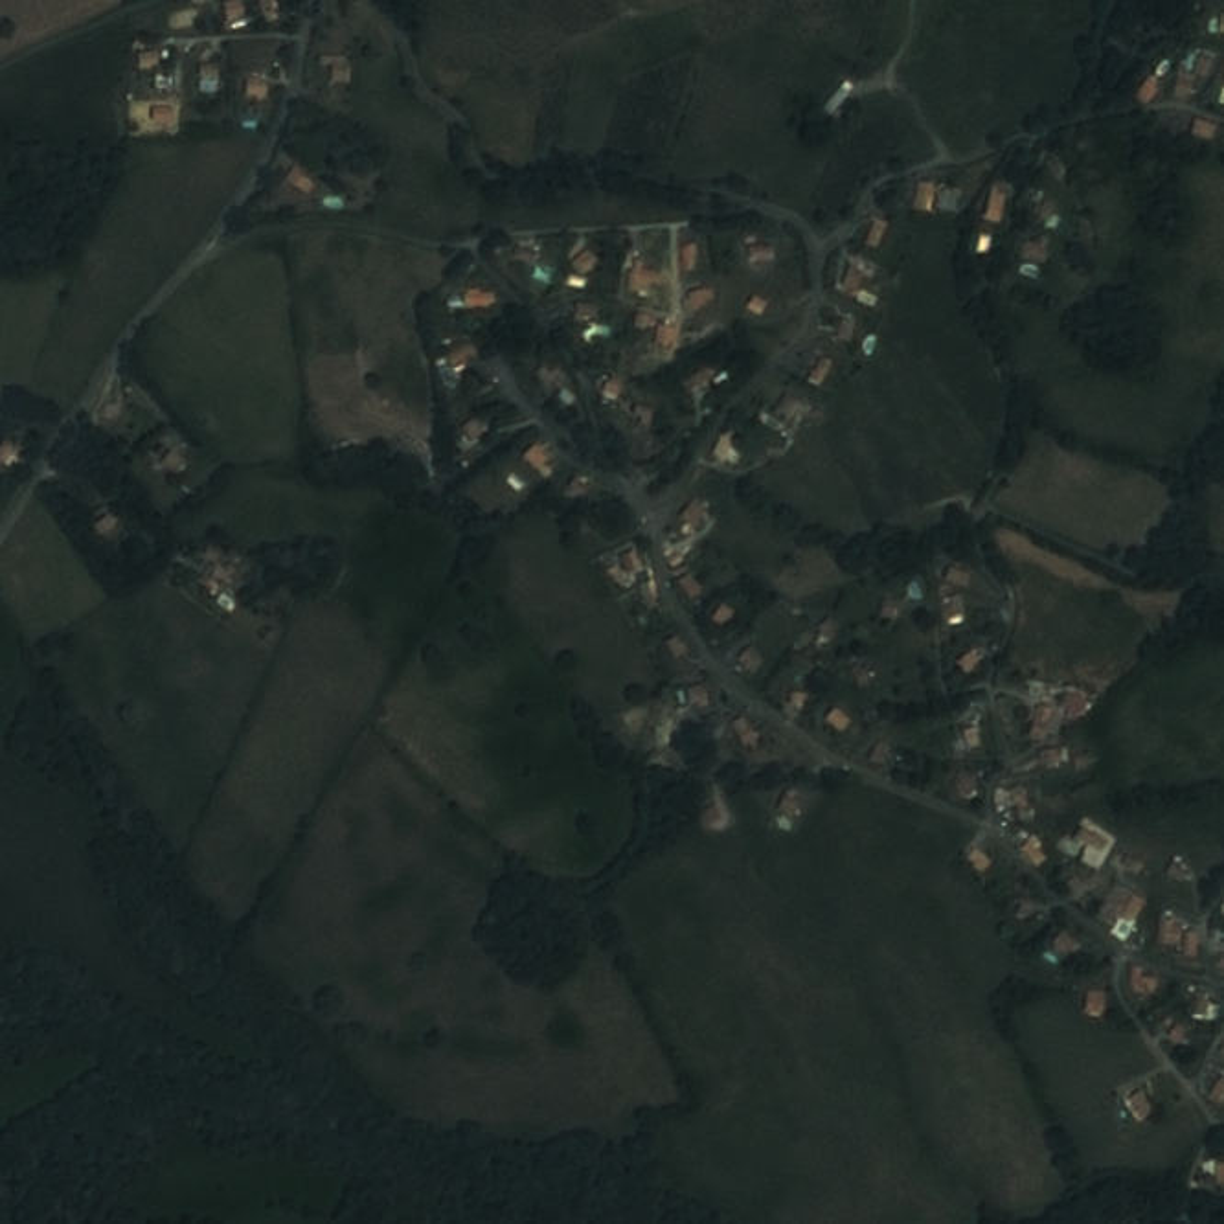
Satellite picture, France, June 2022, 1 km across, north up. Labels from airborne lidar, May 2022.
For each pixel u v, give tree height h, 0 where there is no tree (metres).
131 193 0
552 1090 0
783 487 0
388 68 0
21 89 0
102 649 0
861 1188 0
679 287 0
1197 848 0
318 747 0
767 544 0
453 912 0
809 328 0
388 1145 21
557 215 0
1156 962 0
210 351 0
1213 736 0
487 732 0
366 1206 21
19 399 23
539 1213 18
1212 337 0
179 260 0
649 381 11
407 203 0
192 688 0
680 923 0
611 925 21
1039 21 0
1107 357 19
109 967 0
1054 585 0
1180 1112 0
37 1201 23
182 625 0
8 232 12
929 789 11
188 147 0
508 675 0
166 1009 0
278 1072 11
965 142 0
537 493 9
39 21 0
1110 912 0
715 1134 0
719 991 0
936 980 0
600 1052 0
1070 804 0
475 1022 0
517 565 0
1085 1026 0
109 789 21
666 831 20
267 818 0
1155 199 7
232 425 0
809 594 0
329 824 0
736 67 0
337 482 13
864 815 0
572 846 0
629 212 0
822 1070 0
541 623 0
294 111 14
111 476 19
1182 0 19
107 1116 25
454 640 0
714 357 16
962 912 0
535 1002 0
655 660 6
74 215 14
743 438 15
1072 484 0
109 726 0
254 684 0
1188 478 12
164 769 0
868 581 10
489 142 0
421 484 23
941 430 0
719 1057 0
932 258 0
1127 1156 0
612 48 0
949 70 0
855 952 0
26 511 0
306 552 15
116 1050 24
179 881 9
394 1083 0
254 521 0
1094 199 0
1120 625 0
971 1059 0
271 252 0
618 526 17
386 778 0
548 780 0
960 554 12
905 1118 0
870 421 0
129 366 14
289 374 0
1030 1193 0
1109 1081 0
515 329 22
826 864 0
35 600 0
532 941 15
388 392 0
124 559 16
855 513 0
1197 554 25
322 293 0
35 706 15
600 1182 18
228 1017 19
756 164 0
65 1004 21
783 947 0
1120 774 0
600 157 6
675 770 6
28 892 0
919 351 0
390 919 0
